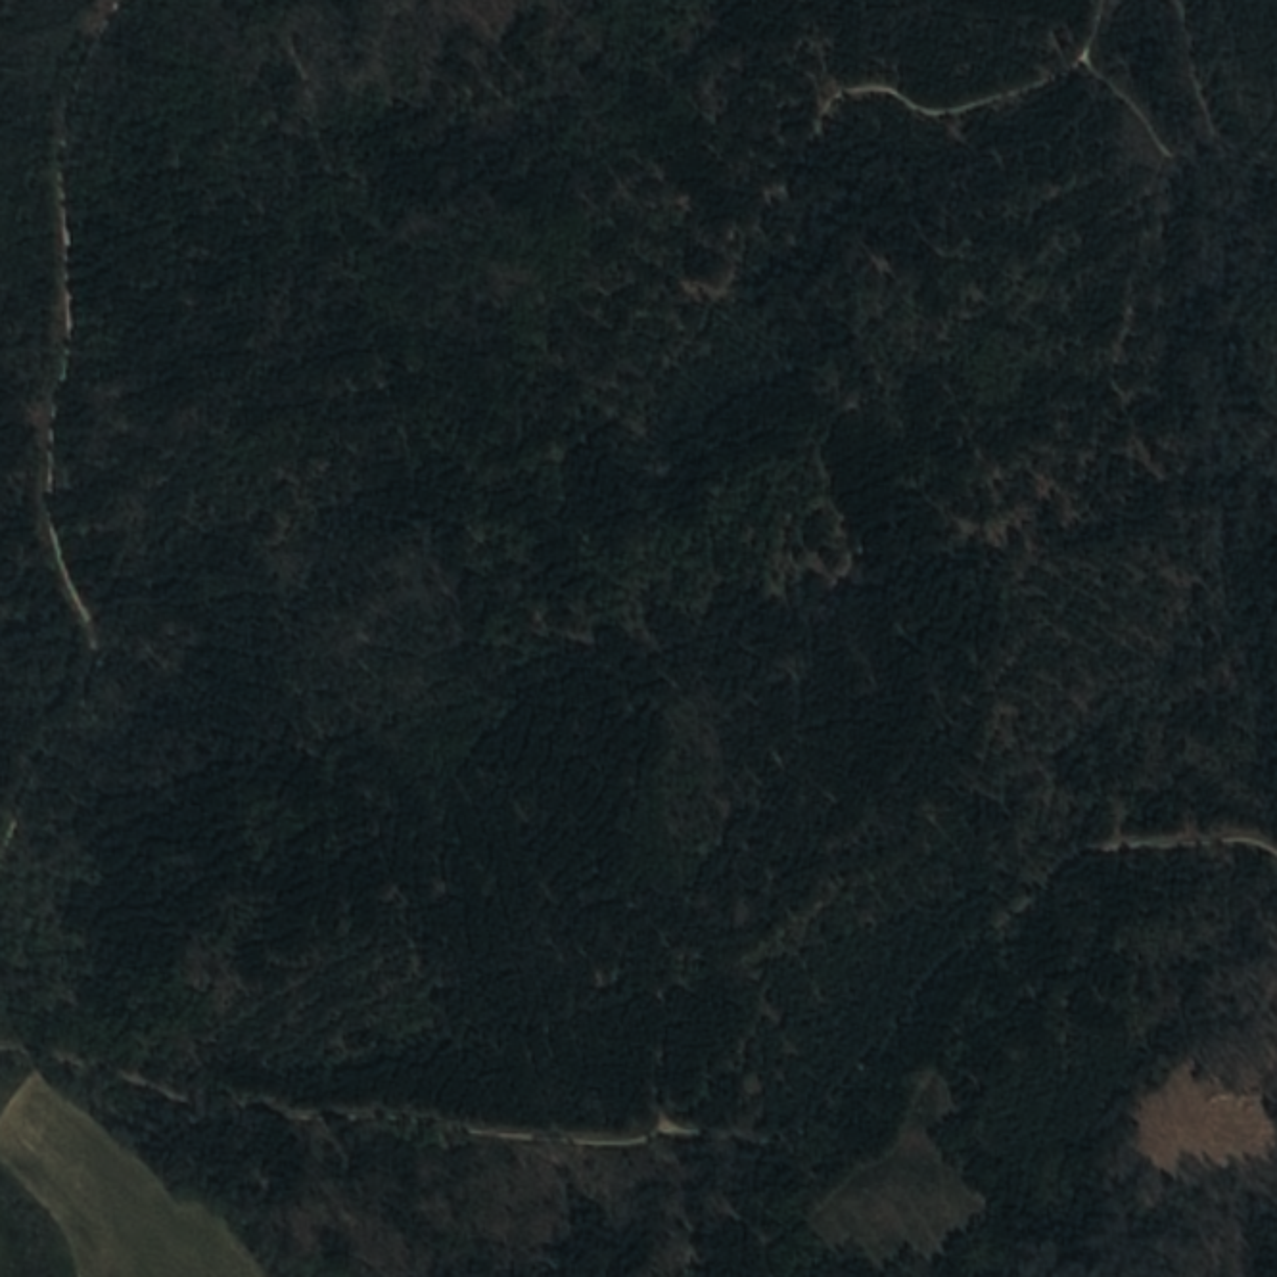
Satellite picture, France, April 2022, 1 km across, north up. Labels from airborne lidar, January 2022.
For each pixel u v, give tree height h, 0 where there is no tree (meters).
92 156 9
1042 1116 11
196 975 8
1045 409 12
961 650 18
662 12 14
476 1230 10
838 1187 10
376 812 10
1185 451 8
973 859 8
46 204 13
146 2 8
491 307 11
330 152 9
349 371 9
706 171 16
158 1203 0
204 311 10
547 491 7
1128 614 7
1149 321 13
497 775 18
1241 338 9
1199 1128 0
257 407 9
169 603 18
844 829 27
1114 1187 23
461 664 18
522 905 16
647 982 23
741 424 16
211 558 7
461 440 8
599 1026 18
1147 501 9
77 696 25
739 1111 15
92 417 8
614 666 16
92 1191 0
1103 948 15
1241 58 6
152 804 16
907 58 11
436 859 17
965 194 8
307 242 13
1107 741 12
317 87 12
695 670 17
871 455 12
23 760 19
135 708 18
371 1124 15
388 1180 11
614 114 11
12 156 10
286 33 8
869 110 11
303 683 15
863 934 11
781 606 15
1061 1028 9
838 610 25
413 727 16
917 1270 15
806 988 8
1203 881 15
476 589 18
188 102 11
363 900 13
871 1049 13
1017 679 9
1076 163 8
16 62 8
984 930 12
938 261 16
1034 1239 13
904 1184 0
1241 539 24
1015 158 9
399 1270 15
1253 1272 25
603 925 22
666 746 17
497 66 18
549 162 13
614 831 12
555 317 9
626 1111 15
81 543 14
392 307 9
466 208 12
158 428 12
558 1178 9
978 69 10
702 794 13
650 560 8
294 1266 25
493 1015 19
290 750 18
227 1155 20
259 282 14
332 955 7
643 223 10
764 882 23
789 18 13
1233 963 9
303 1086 19
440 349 13
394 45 11
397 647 18
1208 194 22
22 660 21
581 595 10
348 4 14
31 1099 0
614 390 12
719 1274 20
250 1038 9
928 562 21
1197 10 8
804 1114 12
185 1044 12
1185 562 11
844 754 22
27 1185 0
